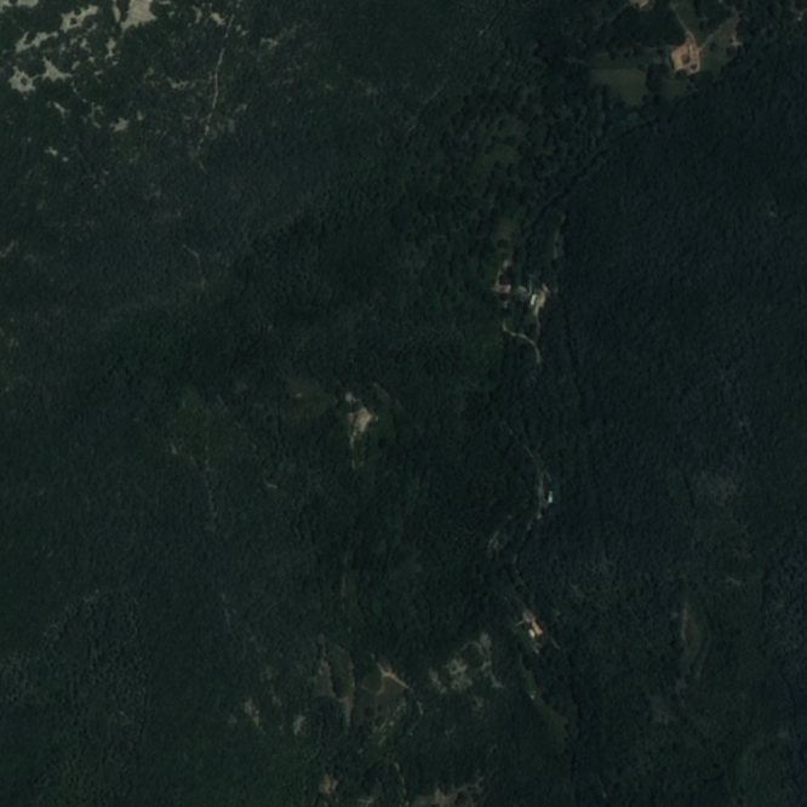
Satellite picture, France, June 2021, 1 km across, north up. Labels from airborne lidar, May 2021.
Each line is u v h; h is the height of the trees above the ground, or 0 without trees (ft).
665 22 60
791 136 48
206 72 27
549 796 56
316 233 42
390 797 21
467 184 32
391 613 36
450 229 31
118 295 32
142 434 37
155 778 39
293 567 26
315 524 39
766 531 40
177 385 32
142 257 36
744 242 45
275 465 24
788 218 36
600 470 44
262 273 37
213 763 38
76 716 27
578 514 35
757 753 18
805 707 24
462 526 48
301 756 27
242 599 25
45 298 22
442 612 46
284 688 29
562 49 86
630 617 37
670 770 30
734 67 27
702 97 54
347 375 36
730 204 43
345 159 22
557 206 45
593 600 28
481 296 24
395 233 25
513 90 23
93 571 30
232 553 35
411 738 40
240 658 28
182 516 32
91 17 19
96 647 26
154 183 21
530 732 41
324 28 26
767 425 39
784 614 29
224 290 25
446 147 49
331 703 32
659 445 32
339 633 34
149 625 24
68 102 34
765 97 46
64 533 30
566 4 54
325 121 30
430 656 36
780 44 31
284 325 33
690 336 41
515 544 52
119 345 29
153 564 34
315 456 34
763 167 59
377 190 22
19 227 21
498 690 27
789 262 36
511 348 37
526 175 34
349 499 51
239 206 36
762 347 31
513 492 38
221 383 29
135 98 21
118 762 28
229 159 44
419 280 24
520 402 39
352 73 21
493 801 36
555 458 33
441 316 24
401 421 36
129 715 29
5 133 25
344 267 44
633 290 40
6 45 21
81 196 35
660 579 33
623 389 51
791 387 31
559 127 57
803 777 20
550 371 41
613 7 42
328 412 30
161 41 23
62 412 27
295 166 35
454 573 30
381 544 39
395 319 34
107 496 25
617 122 40
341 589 47
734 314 32
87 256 38
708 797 57
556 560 22
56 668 35
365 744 39
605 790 28
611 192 24
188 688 29
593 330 44
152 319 47
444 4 37
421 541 38
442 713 20
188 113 22
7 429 32
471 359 40
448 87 24
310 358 28
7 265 28
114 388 38
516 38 49
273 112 23
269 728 28
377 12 29
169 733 31
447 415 49
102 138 27
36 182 22
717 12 56
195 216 29
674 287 47
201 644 39
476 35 24
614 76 0
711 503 18
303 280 31
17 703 39
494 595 43
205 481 29
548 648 54
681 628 18
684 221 34
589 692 58
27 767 29
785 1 57
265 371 39
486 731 32
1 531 29
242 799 30
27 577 29
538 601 53
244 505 38
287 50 23
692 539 31
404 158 23
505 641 37
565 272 42
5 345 22
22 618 32
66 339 25
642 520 20
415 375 41
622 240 31
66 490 19
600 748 46
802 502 31
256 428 22
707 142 58
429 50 32
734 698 23
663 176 53
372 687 0
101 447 33
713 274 43
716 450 22
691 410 25
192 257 23
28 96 23
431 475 52
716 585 26
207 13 23
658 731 21
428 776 41
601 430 30
